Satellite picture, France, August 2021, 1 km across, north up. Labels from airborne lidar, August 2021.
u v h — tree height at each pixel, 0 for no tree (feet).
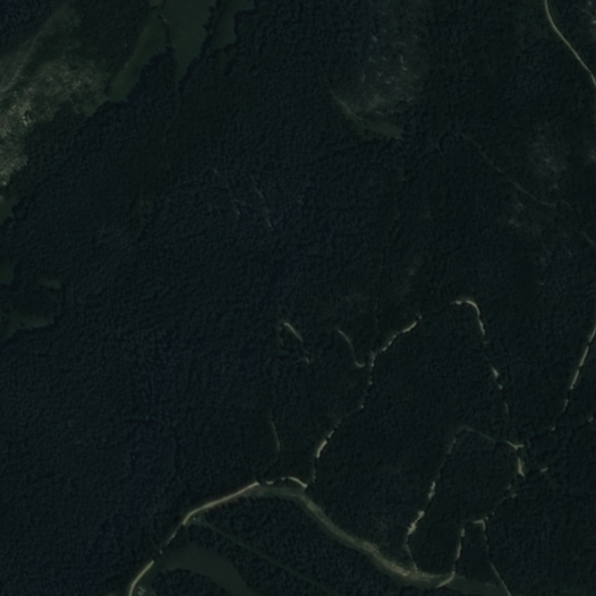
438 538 33
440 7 31
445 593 38
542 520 54
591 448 23
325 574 54
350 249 55
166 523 46
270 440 26
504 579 44
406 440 38
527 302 51
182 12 0
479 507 37
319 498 30
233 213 84
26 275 74
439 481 29
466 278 41
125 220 73
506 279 52
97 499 93
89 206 53
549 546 51
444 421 41
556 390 36
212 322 47
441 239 62
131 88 0
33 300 88
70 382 87
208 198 85
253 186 88
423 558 34
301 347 30
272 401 36
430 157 52
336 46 63
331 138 41
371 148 73
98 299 85
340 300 32
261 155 86
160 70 80
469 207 34
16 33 59
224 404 30
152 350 50
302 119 36
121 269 82
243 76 63
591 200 46
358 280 30
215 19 36
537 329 34
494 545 41
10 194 32
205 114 29
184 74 0
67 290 76
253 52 59
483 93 42
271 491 0
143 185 63
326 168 83
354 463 32
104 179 45
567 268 51
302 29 56
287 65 65
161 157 39
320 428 26
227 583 0
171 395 70
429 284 40
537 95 42
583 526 28
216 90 45
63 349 87
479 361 60
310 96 37
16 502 81
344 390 22
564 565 35
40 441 81
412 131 54
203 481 75
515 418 59
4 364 98
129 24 48
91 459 86
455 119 73
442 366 33
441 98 51
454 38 57
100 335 87
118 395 88
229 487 48
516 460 46
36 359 100
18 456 77
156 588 36
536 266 25
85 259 73
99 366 85
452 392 43
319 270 48
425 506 38
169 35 24
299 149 57
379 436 47
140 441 74
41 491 89
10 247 75
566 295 35
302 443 18
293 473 28
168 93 62
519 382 52
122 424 77
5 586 79
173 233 75
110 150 68
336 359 36
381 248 40
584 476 48
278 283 28
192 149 58
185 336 43
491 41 27
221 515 50
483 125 56
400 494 37
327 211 56
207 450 64
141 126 58
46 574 83
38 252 81
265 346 46
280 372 20
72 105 34
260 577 57
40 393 92
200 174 79
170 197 72
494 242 42
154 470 54
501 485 28
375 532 23
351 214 42
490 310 45
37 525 68
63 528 90
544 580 22
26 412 63
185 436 58
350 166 76
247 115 64
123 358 94
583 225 37
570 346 38
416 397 42
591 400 48
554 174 22
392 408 63
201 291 52
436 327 47
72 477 89
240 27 50
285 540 63
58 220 58
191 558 0
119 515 47
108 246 64
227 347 76
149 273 61
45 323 0
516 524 66
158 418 88
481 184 39
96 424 82
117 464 95
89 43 35
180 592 49
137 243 50
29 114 22
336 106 23
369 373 39
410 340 43
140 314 76
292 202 83
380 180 28
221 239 64
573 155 25
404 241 45
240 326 43
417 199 54
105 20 44
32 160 72
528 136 25
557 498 49
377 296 28
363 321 43
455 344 52
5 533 87
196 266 58
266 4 71
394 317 31
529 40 33
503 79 45
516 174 25
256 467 37
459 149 65
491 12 54
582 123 39
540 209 27
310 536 50
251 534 73
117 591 76
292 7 73
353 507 50
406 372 45
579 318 44
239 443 24
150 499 49
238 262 61
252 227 81
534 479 45
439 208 54
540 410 55
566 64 39
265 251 68
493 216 34
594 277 32
